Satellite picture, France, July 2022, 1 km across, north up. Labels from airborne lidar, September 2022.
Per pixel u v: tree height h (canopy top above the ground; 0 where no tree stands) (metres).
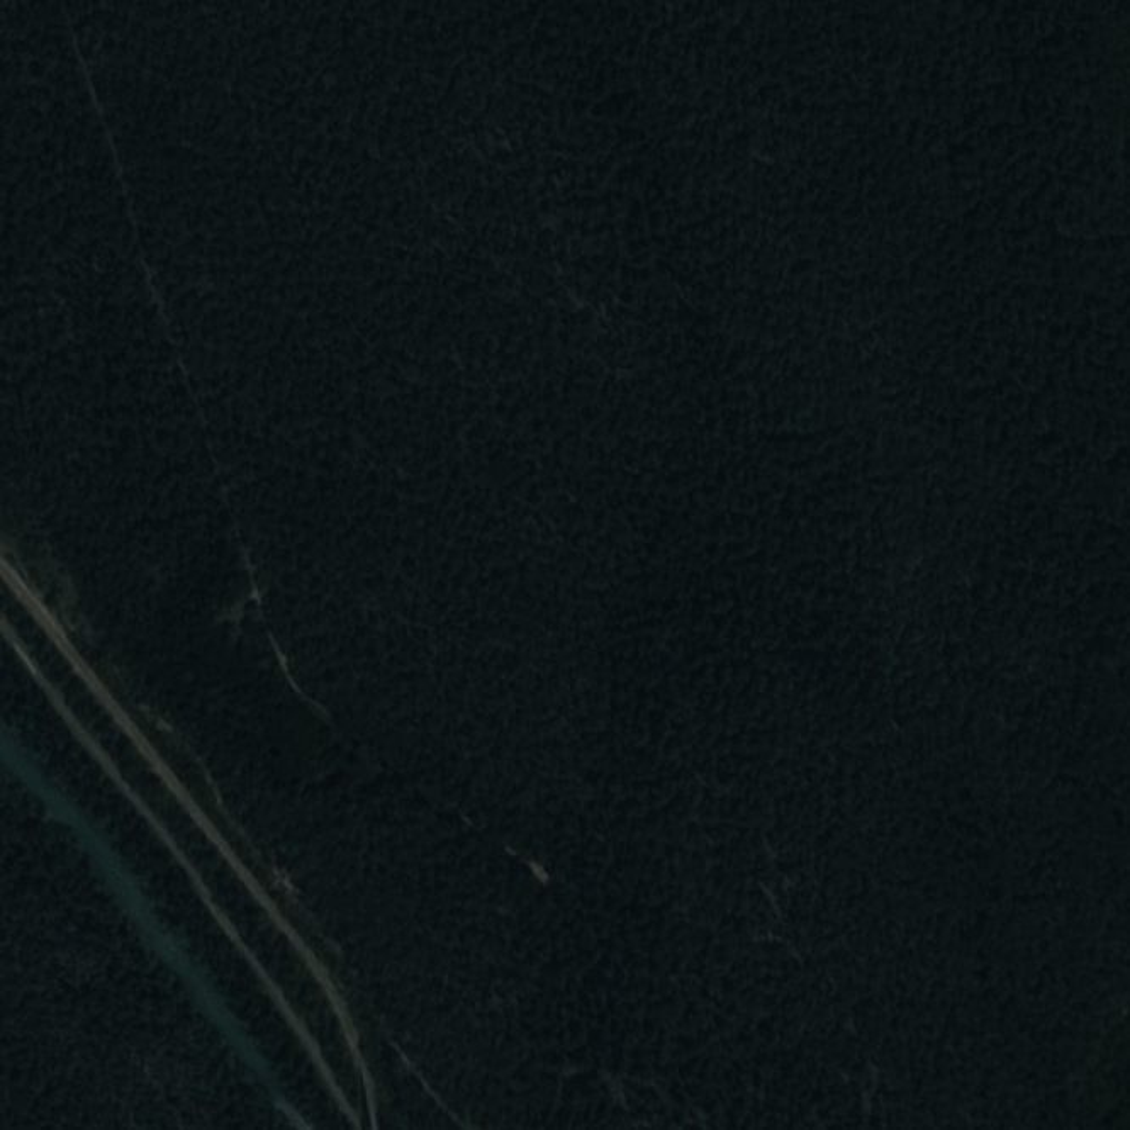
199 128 12
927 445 14
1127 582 20
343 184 17
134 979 22
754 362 12
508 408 12
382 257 14
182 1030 21
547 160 6
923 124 15
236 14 18
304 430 17
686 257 21
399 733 16
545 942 24
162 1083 8
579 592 19
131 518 9
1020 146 20
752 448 24
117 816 17
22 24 19
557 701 8
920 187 14
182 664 14
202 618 10
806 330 15
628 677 25
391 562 14
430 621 15
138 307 9
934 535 15
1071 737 22
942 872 22
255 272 12
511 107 15
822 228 12
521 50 12
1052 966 18
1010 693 19
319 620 15
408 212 16
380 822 21
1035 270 21
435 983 11
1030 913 17
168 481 18
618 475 20
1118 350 24
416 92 14
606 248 12
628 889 14
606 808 20
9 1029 12
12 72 18
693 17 19
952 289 19
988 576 23
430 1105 17
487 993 17
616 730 18
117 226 21
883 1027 18
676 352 22
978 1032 16
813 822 18
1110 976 15
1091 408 27
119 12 12
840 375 9
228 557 10
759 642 20
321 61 10
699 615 19
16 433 18
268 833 17
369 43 10
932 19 20
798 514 28
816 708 16
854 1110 11
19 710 24
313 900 16
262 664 7
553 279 18
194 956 20
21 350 15
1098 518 24
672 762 12
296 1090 20
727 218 18
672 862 19
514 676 13
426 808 22
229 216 15
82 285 10
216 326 15
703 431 28
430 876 17
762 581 25
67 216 7
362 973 26
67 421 8
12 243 19
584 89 23
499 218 16
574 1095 27
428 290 15
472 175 14
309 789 12
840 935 17
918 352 19
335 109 18
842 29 21
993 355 21
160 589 10
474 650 14
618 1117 21
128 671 12
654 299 22
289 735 13
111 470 18
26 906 28
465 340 16
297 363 18
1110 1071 25
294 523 13
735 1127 25
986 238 21
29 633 14
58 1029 9
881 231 14
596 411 21
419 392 16
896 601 11
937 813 17
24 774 0
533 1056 20
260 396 8
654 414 19
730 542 8
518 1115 17
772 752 18
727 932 19
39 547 9
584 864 21
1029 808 15
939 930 15
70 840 15
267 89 10
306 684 9
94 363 20
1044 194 23
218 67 11
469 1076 8
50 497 19
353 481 15
